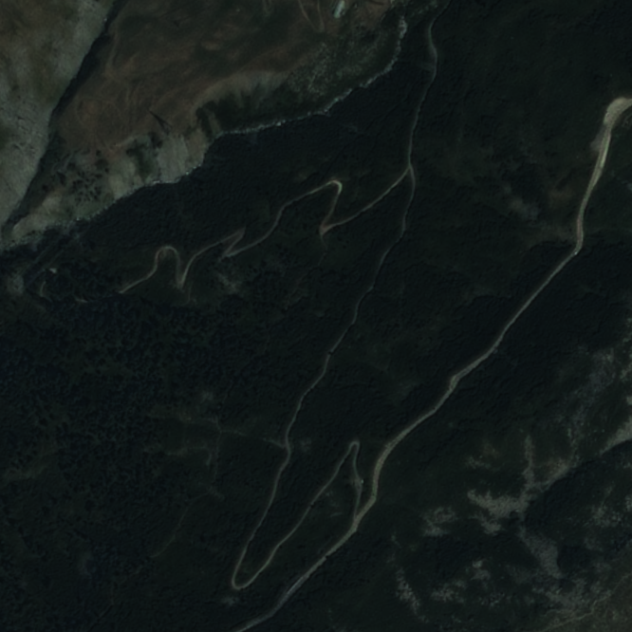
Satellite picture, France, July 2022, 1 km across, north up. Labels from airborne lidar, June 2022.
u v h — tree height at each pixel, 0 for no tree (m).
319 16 0
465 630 0
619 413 0
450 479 0
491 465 0
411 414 5
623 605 0
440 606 0
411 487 0
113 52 0
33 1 0
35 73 0
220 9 0
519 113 0
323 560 0
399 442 0
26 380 29
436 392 6
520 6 0
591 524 0
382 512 0
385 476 0
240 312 11
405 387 0
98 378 6
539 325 6
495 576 0
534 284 6
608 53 0
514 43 0
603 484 0
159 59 0
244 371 6
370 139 5
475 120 0
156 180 0
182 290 0
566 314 5
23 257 8
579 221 0
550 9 0
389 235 6
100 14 0
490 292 0
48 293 0
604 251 6
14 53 0
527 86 0
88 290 28
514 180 6
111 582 8
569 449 0
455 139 0
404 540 0
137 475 9
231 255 0
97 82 0
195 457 0
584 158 0
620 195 0
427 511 0
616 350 0
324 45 0
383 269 6
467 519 0
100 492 12
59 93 0
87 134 0
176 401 14
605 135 0
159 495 12
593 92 0
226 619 6
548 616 0
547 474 0
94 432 11
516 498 0
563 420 0
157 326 22
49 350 6
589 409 0
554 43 0
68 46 0
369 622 0
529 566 0
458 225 0
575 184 0
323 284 13
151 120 0
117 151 0
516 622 0
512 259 0
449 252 0
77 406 23
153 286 0
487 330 5
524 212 0
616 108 0
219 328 7
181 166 0
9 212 0
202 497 0
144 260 0
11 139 0
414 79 6
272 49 0
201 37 0
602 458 0
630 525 0
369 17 0
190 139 0
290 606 6
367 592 0
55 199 0
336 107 5
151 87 0
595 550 0
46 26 0
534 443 0
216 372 12
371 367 0
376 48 0
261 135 5
